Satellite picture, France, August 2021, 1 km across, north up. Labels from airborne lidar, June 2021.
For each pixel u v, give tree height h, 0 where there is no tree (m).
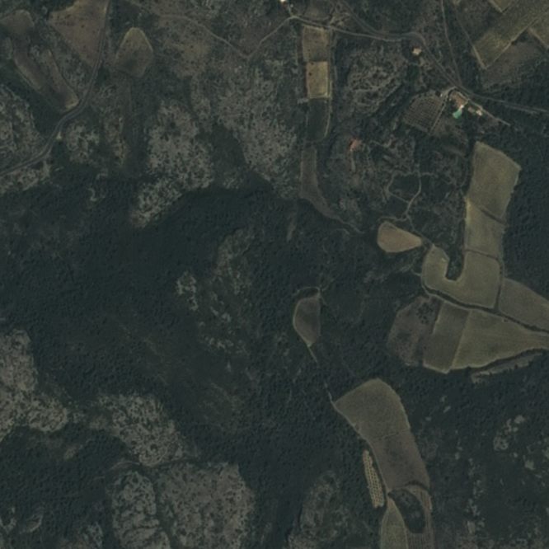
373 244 6
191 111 0
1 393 0
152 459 0
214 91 0
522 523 0
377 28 0
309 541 0
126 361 10
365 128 9
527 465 0
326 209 0
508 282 0
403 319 0
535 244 6
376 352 7
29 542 6
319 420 10
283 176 0
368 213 8
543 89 10
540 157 9
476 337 0
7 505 6
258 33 0
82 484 7
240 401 0
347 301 0
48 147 0
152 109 0
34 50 0
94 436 8
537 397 8
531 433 6
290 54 0
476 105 0
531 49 0
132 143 0
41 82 0
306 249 6
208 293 0
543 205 10
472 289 0
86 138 0
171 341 0
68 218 0
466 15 0
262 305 10
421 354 0
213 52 0
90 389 8
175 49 0
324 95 0
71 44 0
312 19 0
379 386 0
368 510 9
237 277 0
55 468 8
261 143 0
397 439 0
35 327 9
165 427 0
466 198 0
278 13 0
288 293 9
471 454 0
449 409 0
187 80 0
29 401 0
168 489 0
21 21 0
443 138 0
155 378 8
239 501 0
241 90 0
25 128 0
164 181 0
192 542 0
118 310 6
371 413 0
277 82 0
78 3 0
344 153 0
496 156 0
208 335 0
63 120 0
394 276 6
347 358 6
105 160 0
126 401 0
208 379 0
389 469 0
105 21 0
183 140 0
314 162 0
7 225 6
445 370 0
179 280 0
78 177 6
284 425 9
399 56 0
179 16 0
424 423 0
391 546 0
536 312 0
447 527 0
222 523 0
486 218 0
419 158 14
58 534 10
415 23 0
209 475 0
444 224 0
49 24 0
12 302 10
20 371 0
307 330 0
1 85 0
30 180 0
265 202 8
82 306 7
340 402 0
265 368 10
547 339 0
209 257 0
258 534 6
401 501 0
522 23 0
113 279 7
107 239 5
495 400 8
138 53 0
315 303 0
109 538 11
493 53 0
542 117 7
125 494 0
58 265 7
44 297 6
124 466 0
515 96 6
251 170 0
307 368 8
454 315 0
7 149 0
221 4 0
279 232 9
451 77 0
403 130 7
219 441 11
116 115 0
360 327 8
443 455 0
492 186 0
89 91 0
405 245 0
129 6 0
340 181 0
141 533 0
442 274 0
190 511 0
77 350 6
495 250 0
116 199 8
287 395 14
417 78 10
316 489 0
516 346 0
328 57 0
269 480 9
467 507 0
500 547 0
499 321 0
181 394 0
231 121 0
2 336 0
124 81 0
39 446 7
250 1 0
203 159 0
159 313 7
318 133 0
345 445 8
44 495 10
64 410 0
